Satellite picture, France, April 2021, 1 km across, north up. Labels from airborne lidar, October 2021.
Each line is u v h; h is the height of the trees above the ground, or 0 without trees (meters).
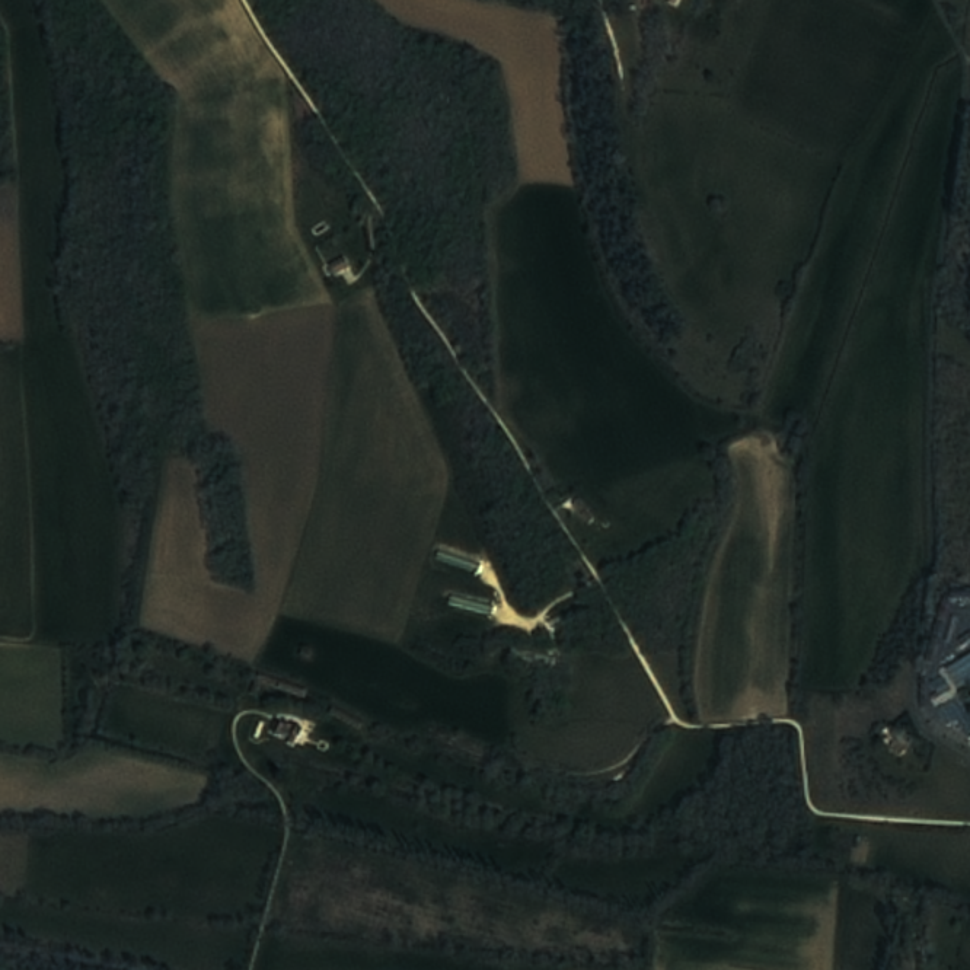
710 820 20
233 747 0
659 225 0
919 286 0
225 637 0
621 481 0
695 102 0
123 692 0
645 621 14
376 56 18
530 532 19
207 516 17
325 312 0
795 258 0
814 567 0
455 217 19
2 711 0
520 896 20
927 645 8
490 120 14
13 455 0
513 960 13
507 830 17
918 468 0
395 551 0
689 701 9
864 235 0
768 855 16
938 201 0
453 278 19
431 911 0
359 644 0
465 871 20
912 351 0
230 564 16
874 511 0
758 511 0
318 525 0
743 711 0
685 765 0
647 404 0
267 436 0
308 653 12
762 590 0
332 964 0
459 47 7
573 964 13
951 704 0
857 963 0
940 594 9
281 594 0
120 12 0
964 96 0
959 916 14
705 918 0
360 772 6
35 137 0
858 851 0
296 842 0
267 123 0
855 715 0
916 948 13
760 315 0
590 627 17
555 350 0
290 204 0
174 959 0
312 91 12
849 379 0
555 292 0
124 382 13
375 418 0
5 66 11
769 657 0
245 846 0
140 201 11
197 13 0
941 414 10
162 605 0
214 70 0
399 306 12
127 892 0
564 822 13
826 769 0
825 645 0
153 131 22
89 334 8
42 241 0
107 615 0
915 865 0
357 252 0
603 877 0
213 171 0
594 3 21
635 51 0
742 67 0
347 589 0
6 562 0
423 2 0
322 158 16
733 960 0
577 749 0
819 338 0
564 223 0
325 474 0
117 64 14
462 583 0
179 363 12
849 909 0
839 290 0
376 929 0
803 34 0
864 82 0
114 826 13
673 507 0
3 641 0
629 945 0
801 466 13
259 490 0
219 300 0
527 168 0
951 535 9
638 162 0
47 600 0
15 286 0
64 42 23
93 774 0
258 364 0
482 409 13
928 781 0
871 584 0
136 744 13
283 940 14
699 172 0
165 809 0
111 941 0
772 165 0
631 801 15
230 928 16
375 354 0
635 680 0
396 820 0
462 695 0
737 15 0
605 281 10
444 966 0
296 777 0
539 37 0
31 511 0
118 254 12
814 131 0
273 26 12
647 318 14
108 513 0
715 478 12
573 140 15
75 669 0
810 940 0
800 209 0
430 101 17
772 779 21
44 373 0
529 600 14
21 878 0
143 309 16
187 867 0
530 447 0
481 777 11
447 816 15
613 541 0
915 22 0
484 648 16
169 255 14
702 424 0
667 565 18
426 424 0
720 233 0
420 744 9
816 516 0
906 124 0
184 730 0
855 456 0
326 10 19
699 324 0
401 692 0
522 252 0
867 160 0
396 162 18
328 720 12
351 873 0
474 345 12
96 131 16
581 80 17
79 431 0
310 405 0
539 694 22
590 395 0
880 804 0
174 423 13
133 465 12
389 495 0
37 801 0
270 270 0
